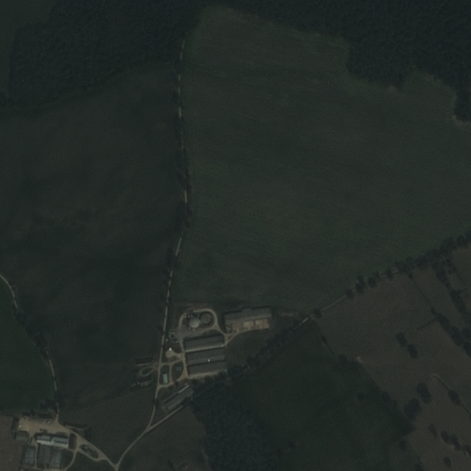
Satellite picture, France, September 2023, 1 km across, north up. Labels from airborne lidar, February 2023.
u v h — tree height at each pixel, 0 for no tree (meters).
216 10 0
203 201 0
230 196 0
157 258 0
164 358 0
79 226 0
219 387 16
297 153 0
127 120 0
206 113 0
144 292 0
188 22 21
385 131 0
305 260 0
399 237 0
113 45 21
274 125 0
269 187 0
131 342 0
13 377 0
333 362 0
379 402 0
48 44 23
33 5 0
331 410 0
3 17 0
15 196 0
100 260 0
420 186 0
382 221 0
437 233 0
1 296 0
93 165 0
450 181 0
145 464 0
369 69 24
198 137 0
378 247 0
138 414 0
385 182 0
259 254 0
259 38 0
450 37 7
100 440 0
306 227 0
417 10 20
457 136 0
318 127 0
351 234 0
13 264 0
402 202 0
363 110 0
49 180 0
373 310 0
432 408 0
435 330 0
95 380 0
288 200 0
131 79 0
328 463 0
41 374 0
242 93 0
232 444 26
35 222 0
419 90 0
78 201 0
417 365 0
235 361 0
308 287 0
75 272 0
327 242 0
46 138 0
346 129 0
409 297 0
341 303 0
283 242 0
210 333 0
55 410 13
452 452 0
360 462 0
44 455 0
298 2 21
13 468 0
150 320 0
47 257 0
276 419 0
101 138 0
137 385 6
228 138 0
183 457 0
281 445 0
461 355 0
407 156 0
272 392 0
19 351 0
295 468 0
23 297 0
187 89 0
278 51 0
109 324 0
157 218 0
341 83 0
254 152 0
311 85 0
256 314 0
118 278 0
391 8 22
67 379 0
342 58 0
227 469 17
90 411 0
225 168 0
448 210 0
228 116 0
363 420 0
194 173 0
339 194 0
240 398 0
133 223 0
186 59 0
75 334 0
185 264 0
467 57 24
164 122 0
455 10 25
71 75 27
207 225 0
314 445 0
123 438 0
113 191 0
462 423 0
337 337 0
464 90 24
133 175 0
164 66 0
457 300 18
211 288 0
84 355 0
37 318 0
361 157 0
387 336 0
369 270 0
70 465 0
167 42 13
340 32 12
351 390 0
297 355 0
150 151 0
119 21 19
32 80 26
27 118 0
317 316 12
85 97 0
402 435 0
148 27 20
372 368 0
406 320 0
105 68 25
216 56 0
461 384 0
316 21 21
